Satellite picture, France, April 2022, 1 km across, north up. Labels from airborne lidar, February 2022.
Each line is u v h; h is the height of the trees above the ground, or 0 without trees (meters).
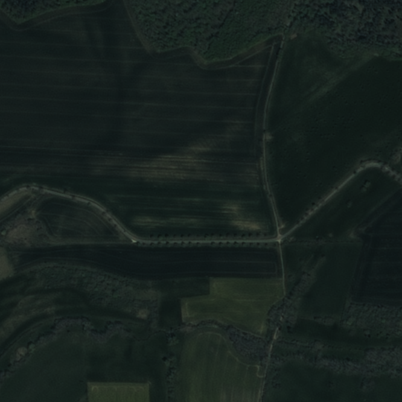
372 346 0
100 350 0
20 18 20
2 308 0
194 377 0
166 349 0
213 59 12
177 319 0
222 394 0
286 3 0
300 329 0
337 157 0
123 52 0
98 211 0
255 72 0
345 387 0
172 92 0
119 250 0
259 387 0
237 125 0
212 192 0
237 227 0
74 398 0
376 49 17
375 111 0
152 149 0
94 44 0
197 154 0
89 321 18
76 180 0
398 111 0
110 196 0
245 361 0
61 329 16
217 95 0
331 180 0
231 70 0
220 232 0
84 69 0
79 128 0
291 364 0
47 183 0
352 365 23
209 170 0
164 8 24
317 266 0
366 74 0
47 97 0
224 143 0
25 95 0
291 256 0
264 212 0
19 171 0
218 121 0
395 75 0
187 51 0
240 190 0
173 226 0
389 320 13
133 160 0
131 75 0
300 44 0
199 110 0
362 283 0
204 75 0
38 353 0
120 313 0
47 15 0
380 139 0
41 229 9
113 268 0
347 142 0
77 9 0
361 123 0
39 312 0
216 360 0
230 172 0
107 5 0
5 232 11
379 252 0
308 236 0
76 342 0
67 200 0
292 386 0
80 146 0
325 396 0
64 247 0
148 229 0
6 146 0
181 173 0
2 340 0
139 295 0
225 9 23
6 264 0
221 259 0
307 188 0
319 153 0
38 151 0
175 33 23
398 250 0
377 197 0
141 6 19
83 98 0
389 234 0
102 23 0
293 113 0
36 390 0
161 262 0
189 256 0
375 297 0
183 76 0
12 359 0
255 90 0
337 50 14
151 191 0
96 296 6
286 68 0
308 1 18
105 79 0
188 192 0
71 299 0
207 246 0
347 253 0
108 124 0
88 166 0
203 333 0
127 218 0
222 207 0
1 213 0
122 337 15
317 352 21
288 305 17
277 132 0
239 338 21
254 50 0
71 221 0
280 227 0
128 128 0
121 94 0
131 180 0
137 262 0
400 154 15
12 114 0
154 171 0
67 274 6
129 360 0
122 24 0
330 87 0
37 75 0
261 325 0
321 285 0
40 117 0
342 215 0
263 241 0
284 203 0
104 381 0
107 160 0
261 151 0
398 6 24
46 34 0
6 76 0
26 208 0
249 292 0
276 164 0
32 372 0
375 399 0
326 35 17
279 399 0
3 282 0
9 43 0
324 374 0
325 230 0
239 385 0
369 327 13
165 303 0
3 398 0
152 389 0
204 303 0
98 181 0
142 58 0
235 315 0
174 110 0
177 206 0
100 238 0
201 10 25
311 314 0
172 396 15
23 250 0
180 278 0
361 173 0
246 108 0
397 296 0
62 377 0
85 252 0
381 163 9
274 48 0
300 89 0
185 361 0
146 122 0
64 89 0
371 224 0
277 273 0
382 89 0
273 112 0
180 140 0
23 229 0
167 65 0
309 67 0
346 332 0
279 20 0
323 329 0
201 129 0
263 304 0
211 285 0
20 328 0
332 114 0
